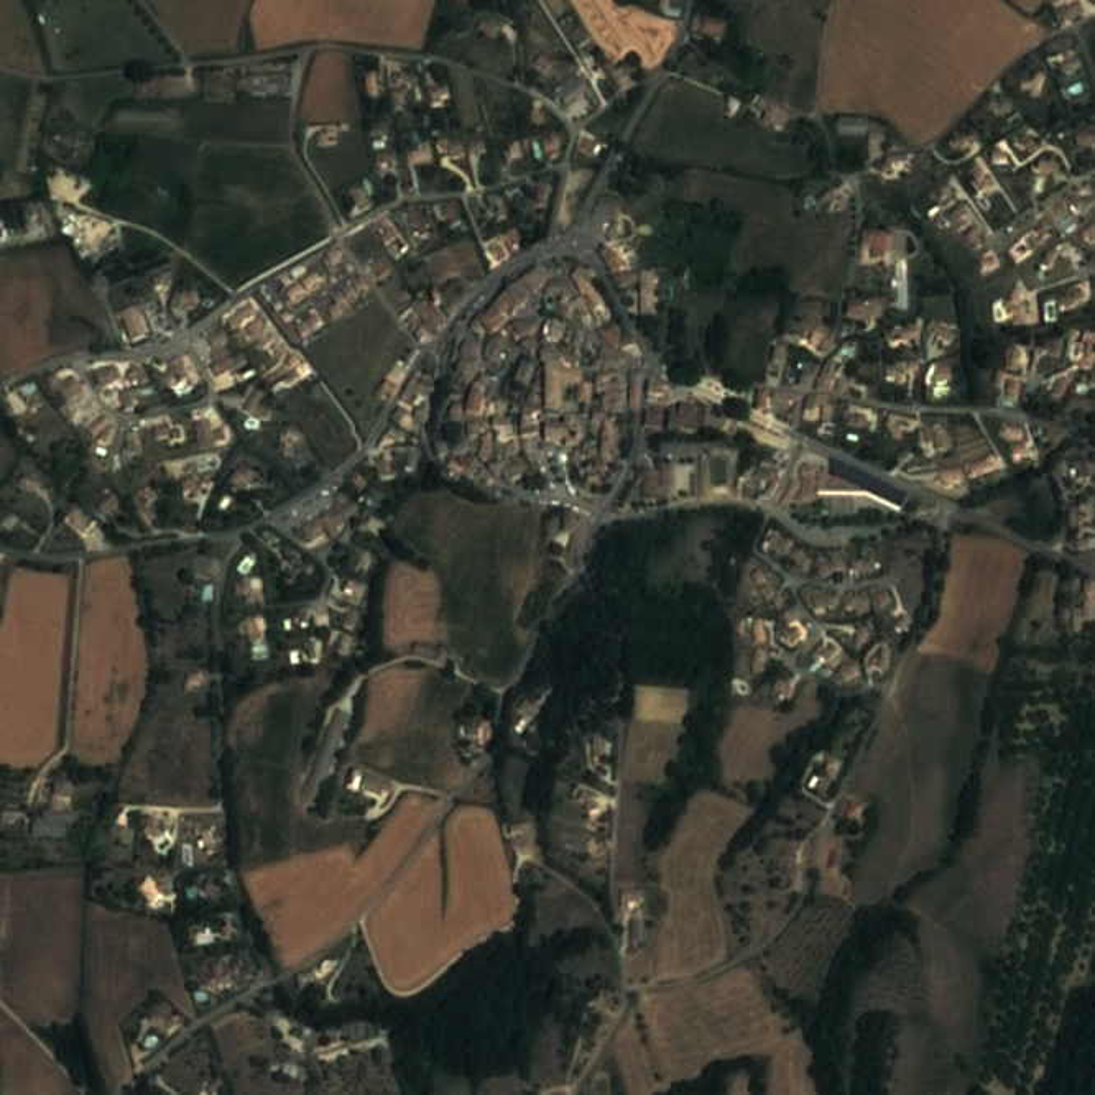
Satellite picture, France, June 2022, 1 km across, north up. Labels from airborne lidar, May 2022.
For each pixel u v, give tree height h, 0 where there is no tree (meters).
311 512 0
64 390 0
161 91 0
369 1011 12
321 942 0
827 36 0
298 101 0
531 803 17
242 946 8
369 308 0
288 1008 22
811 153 7
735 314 0
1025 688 7
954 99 0
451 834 0
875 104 0
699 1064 0
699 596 10
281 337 0
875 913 13
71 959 0
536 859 0
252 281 0
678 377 22
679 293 0
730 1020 0
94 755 0
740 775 0
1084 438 12
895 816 0
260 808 0
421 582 0
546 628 15
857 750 10
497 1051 19
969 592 0
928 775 0
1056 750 11
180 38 0
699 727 13
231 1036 0
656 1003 0
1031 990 9
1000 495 12
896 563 0
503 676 0
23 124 0
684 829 0
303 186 0
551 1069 0
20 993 0
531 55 0
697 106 0
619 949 0
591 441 5
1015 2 0
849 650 7
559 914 0
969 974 0
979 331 7
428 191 0
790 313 8
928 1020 0
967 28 0
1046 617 0
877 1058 10
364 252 0
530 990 20
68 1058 11
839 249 0
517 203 9
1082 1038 15
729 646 12
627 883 0
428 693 0
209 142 0
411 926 0
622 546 11
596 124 0
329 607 0
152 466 0
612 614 16
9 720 0
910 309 0
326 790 12
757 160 0
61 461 11
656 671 8
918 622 8
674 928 0
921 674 0
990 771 0
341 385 0
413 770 0
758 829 11
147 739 0
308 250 0
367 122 6
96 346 8
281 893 0
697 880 0
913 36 0
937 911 0
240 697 6
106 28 0
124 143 8
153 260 8
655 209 0
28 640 0
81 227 0
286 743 0
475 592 0
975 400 8
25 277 0
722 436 12
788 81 0
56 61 0
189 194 9
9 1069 0
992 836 0
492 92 0
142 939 0
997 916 0
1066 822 11
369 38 0
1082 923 6
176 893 9
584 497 0
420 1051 8
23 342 0
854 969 10
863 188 0
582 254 0
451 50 0
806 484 0
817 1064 10
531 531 0
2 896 0
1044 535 12
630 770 0
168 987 0
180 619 11
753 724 0
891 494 0
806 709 0
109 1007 0
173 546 8
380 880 0
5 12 0
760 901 0
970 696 0
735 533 7
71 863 0
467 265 0
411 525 0
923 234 8
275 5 0
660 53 0
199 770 0
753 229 0
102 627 0
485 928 0
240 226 0
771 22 0
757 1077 8
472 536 0
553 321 6
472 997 15
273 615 7
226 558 0
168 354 0
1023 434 0
